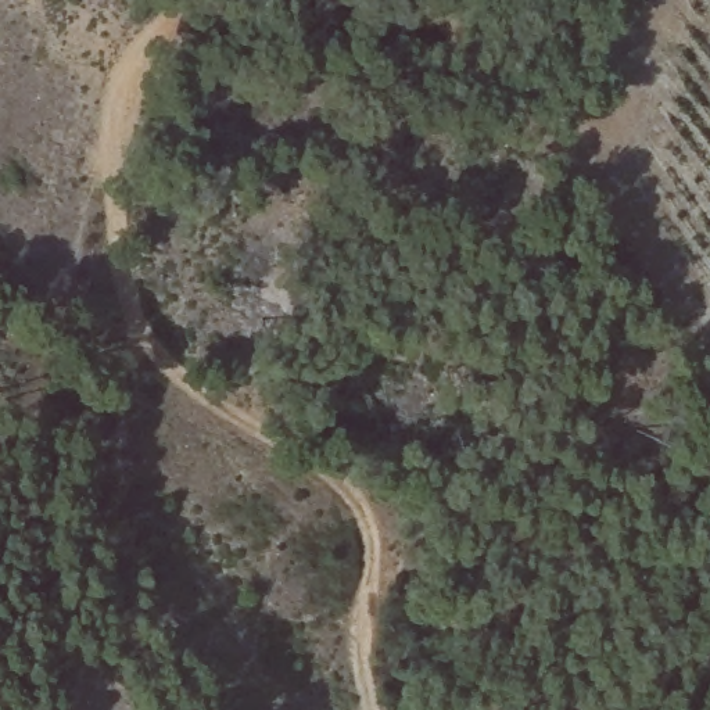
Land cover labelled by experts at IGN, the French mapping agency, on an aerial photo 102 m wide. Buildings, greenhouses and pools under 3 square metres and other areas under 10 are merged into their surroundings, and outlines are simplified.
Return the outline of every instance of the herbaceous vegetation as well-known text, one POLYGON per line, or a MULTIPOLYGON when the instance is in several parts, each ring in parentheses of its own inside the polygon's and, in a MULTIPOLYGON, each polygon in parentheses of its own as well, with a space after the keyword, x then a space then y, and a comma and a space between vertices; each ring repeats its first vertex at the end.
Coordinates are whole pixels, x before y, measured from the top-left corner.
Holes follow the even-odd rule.
POLYGON ((136 225, 153 252, 161 241, 169 241, 169 233, 178 219, 158 216, 155 211, 136 225))
POLYGON ((8 161, 22 161, 42 178, 42 186, 0 194, 0 266, 39 275, 44 280, 44 291, 53 297, 78 297, 86 302, 86 311, 92 313, 89 333, 114 361, 125 366, 125 377, 130 383, 130 410, 136 408, 136 399, 150 410, 155 410, 158 405, 164 408, 158 424, 158 444, 166 449, 166 458, 161 460, 161 474, 166 480, 164 488, 183 488, 189 494, 183 502, 183 519, 191 524, 202 524, 205 535, 227 533, 230 527, 225 521, 216 521, 214 510, 222 502, 236 502, 241 494, 250 491, 272 499, 277 510, 288 519, 286 527, 280 527, 280 533, 272 535, 266 552, 241 557, 236 566, 222 569, 219 577, 269 580, 272 588, 263 599, 266 610, 277 613, 288 624, 305 624, 305 638, 313 652, 311 677, 316 682, 333 677, 336 671, 341 671, 344 677, 355 677, 355 691, 361 696, 361 704, 355 710, 383 710, 377 702, 377 685, 372 674, 374 618, 369 613, 369 599, 377 594, 388 594, 397 574, 405 571, 410 538, 397 530, 394 513, 388 513, 380 505, 372 508, 366 491, 358 488, 352 480, 327 471, 286 469, 283 463, 277 463, 275 438, 263 433, 266 416, 261 408, 261 391, 250 386, 239 386, 227 394, 222 405, 216 405, 208 399, 205 388, 194 388, 186 380, 186 369, 180 369, 178 363, 186 352, 183 327, 202 313, 202 308, 208 308, 205 327, 214 333, 214 341, 208 344, 211 358, 219 361, 225 352, 252 355, 255 347, 250 333, 269 336, 283 330, 294 319, 291 297, 283 288, 286 272, 280 244, 300 244, 308 239, 308 197, 297 189, 272 197, 266 211, 261 211, 250 216, 250 230, 261 233, 261 241, 250 241, 247 250, 263 252, 269 258, 269 275, 263 280, 263 288, 233 286, 230 302, 219 297, 208 283, 200 283, 197 272, 183 266, 183 261, 175 261, 175 272, 166 277, 166 286, 178 294, 178 302, 161 311, 158 300, 153 297, 144 280, 130 277, 128 272, 116 272, 105 255, 83 258, 83 241, 89 233, 92 214, 105 214, 105 239, 119 241, 122 230, 128 227, 128 216, 119 205, 114 200, 114 175, 122 169, 125 147, 130 144, 133 130, 139 125, 141 80, 150 69, 147 44, 158 36, 172 42, 180 25, 172 17, 158 14, 147 25, 136 25, 130 19, 130 8, 122 0, 0 0, 0 166, 8 161), (316 630, 311 605, 305 602, 305 585, 300 580, 283 577, 283 560, 288 555, 280 552, 280 544, 297 535, 313 510, 336 508, 338 502, 349 508, 363 535, 363 577, 352 610, 344 618, 333 618, 327 627, 316 630))

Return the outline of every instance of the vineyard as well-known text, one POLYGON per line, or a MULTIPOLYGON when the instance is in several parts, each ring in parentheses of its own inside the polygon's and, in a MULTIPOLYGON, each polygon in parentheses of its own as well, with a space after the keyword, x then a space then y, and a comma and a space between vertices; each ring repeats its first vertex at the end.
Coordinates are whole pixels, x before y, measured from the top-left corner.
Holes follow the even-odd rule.
POLYGON ((621 0, 627 33, 610 44, 605 69, 616 72, 630 83, 627 100, 607 119, 585 119, 577 125, 582 136, 577 144, 571 144, 569 161, 580 172, 591 172, 594 178, 599 178, 605 183, 607 197, 613 200, 610 205, 605 205, 610 216, 610 233, 616 239, 616 261, 607 275, 621 277, 627 283, 646 280, 652 302, 660 311, 663 322, 671 322, 674 327, 693 327, 693 338, 688 338, 685 347, 696 347, 699 352, 704 352, 704 358, 710 358, 710 0, 621 0))
POLYGON ((119 702, 114 704, 114 710, 161 710, 153 693, 144 693, 141 677, 136 674, 136 663, 125 657, 119 666, 122 677, 114 682, 119 702))

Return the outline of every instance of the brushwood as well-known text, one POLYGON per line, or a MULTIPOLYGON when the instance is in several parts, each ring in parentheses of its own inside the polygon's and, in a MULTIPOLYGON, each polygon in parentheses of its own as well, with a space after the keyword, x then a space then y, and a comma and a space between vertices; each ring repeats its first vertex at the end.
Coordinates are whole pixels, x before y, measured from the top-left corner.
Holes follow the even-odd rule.
POLYGON ((316 682, 311 677, 313 652, 305 638, 305 624, 288 624, 277 613, 266 610, 263 599, 272 588, 269 580, 219 577, 222 569, 236 566, 241 557, 266 552, 272 535, 280 533, 280 527, 286 527, 288 519, 277 510, 272 499, 250 491, 241 494, 236 502, 222 502, 214 510, 216 521, 225 521, 230 527, 227 533, 205 535, 202 524, 191 524, 183 519, 183 502, 189 494, 183 488, 164 488, 166 480, 161 474, 161 460, 166 458, 166 449, 158 444, 158 424, 164 408, 158 405, 155 410, 150 410, 136 399, 136 408, 130 410, 116 413, 108 430, 108 438, 114 444, 114 519, 133 535, 136 555, 164 569, 166 605, 172 621, 183 630, 200 632, 205 641, 216 646, 222 666, 230 677, 230 693, 241 702, 244 710, 355 710, 361 704, 361 696, 355 691, 355 677, 344 677, 341 671, 336 671, 333 677, 316 682))
POLYGON ((0 166, 0 194, 42 186, 42 178, 22 161, 8 161, 0 166))
POLYGON ((349 508, 338 502, 336 508, 313 510, 297 535, 280 544, 280 552, 288 555, 283 560, 283 577, 300 580, 305 585, 305 602, 311 605, 316 630, 327 627, 333 618, 344 618, 352 610, 363 577, 363 535, 349 508))
POLYGON ((208 283, 219 297, 230 302, 233 286, 263 288, 263 280, 269 275, 269 258, 263 252, 247 250, 250 241, 261 241, 261 233, 250 230, 250 216, 261 211, 258 194, 236 200, 233 191, 216 191, 178 219, 169 233, 169 241, 161 241, 153 252, 136 225, 155 211, 144 208, 139 200, 125 200, 119 205, 128 216, 128 227, 122 230, 119 241, 105 239, 105 214, 92 214, 89 233, 83 241, 83 258, 105 255, 116 272, 128 272, 130 277, 144 280, 153 297, 158 300, 161 311, 178 302, 178 294, 166 286, 166 277, 175 272, 175 261, 183 261, 183 266, 197 272, 200 283, 208 283))
POLYGON ((252 355, 225 352, 219 361, 211 358, 208 344, 214 341, 214 333, 205 327, 208 308, 202 308, 202 313, 183 327, 186 352, 178 363, 180 369, 186 369, 186 380, 194 388, 205 388, 208 399, 216 405, 222 405, 227 394, 239 386, 250 386, 252 355))

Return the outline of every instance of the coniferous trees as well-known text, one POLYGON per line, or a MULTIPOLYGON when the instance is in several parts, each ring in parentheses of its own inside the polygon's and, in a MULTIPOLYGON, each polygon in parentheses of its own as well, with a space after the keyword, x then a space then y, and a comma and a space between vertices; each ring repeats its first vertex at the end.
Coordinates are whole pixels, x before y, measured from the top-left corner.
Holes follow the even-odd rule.
POLYGON ((133 535, 114 519, 114 444, 108 438, 108 430, 116 413, 130 410, 130 383, 125 377, 125 366, 114 361, 89 333, 92 313, 86 311, 86 302, 78 297, 53 297, 44 291, 44 280, 39 275, 0 266, 0 710, 114 710, 114 704, 119 702, 114 682, 122 677, 119 666, 125 657, 136 663, 136 674, 141 677, 144 693, 153 693, 161 710, 244 710, 241 702, 230 693, 230 677, 222 666, 216 646, 205 641, 200 632, 183 630, 172 621, 166 605, 164 569, 136 555, 133 535))
POLYGON ((266 416, 263 433, 275 438, 277 463, 283 463, 286 469, 327 471, 352 480, 358 488, 366 491, 372 508, 380 505, 388 513, 394 513, 397 530, 410 538, 405 571, 397 574, 388 594, 377 594, 369 599, 369 613, 374 618, 372 674, 377 685, 377 702, 383 710, 710 710, 710 358, 704 358, 704 352, 699 352, 696 347, 685 347, 688 338, 693 338, 693 327, 674 327, 671 322, 663 322, 660 311, 652 302, 646 280, 627 283, 621 277, 607 275, 616 261, 616 239, 610 233, 610 216, 605 205, 610 205, 613 200, 607 197, 605 183, 599 178, 594 178, 591 172, 580 172, 569 161, 571 144, 577 144, 582 136, 577 125, 585 119, 607 119, 627 100, 630 83, 616 72, 605 69, 610 44, 627 33, 621 0, 122 0, 130 8, 130 19, 136 25, 147 25, 158 14, 172 17, 180 25, 172 42, 158 36, 147 44, 150 69, 141 80, 139 125, 133 130, 130 144, 125 147, 122 169, 114 175, 114 200, 119 205, 125 200, 139 200, 144 208, 155 211, 158 216, 178 219, 216 191, 233 191, 236 200, 258 194, 261 211, 266 211, 272 197, 297 189, 308 197, 308 239, 300 244, 280 244, 286 272, 283 288, 291 297, 294 319, 283 330, 269 336, 250 333, 255 347, 252 355, 250 386, 261 391, 261 408, 266 416))

